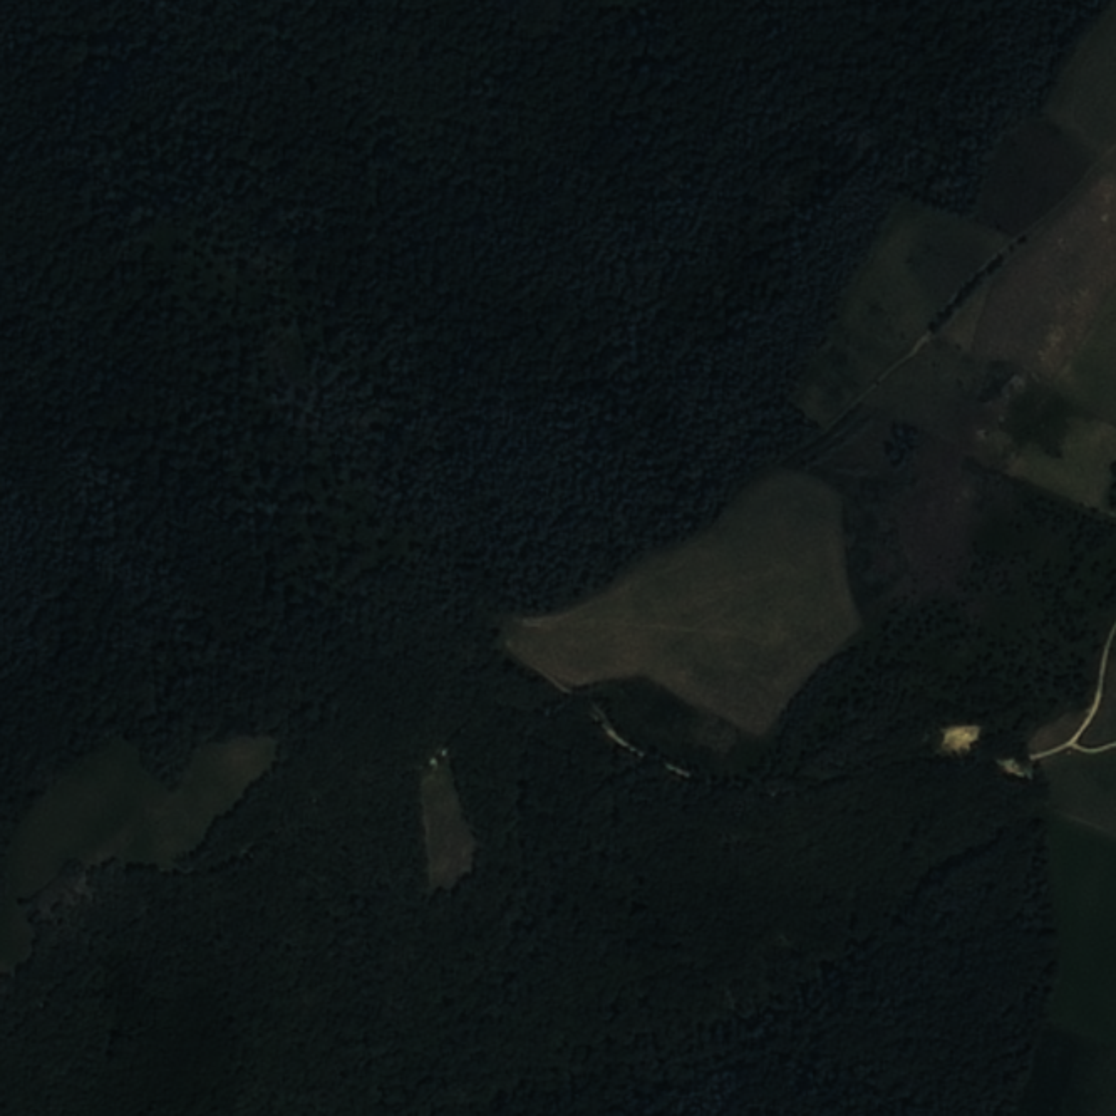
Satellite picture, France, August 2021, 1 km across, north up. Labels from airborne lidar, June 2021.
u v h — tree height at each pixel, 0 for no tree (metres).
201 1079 19
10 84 23
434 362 18
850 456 0
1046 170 0
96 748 13
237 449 13
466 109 17
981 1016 21
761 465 5
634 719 0
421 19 18
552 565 16
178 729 13
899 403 0
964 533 0
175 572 17
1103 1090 0
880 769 19
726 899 19
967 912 22
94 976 19
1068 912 0
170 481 20
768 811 12
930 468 0
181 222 12
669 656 0
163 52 16
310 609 13
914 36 17
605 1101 20
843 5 18
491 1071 22
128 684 18
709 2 27
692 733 0
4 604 21
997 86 13
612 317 21
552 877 16
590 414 17
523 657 0
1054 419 0
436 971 19
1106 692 0
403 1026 24
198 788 0
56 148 19
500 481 22
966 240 0
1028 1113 0
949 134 9
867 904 25
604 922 16
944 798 22
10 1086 21
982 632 7
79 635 20
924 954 21
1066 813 0
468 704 16
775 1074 19
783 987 28
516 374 23
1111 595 7
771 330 13
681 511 12
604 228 22
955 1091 18
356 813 18
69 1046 22
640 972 23
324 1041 20
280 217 10
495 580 10
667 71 27
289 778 13
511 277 23
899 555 0
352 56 21
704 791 15
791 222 11
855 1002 22
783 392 9
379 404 11
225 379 13
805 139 15
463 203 24
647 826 18
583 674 0
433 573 8
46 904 0
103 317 17
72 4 18
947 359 0
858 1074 23
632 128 23
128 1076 21
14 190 20
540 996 19
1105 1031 0
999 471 0
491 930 21
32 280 22
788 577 0
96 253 21
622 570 8
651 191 20
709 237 18
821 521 0
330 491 12
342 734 17
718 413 14
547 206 22
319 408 6
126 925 17
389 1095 29
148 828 0
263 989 21
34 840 0
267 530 15
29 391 17
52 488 18
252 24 25
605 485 17
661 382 13
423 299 18
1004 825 16
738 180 20
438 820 0
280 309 7
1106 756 0
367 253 21
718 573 0
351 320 7
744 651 0
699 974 21
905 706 10
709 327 13
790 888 18
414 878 13
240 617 14
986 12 11
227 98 11
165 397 23
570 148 25
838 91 18
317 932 22
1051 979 10
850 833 20
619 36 28
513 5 33
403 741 19
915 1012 20
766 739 0
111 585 14
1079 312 0
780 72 23
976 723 7
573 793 19
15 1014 10
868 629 0
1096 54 0
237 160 7
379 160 27
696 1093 17
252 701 7
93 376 24
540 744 20
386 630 6
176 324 13
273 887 18
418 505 15
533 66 31
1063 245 0
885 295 0
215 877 18
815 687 8
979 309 0
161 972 21
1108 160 0
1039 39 11
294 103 22
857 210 15
